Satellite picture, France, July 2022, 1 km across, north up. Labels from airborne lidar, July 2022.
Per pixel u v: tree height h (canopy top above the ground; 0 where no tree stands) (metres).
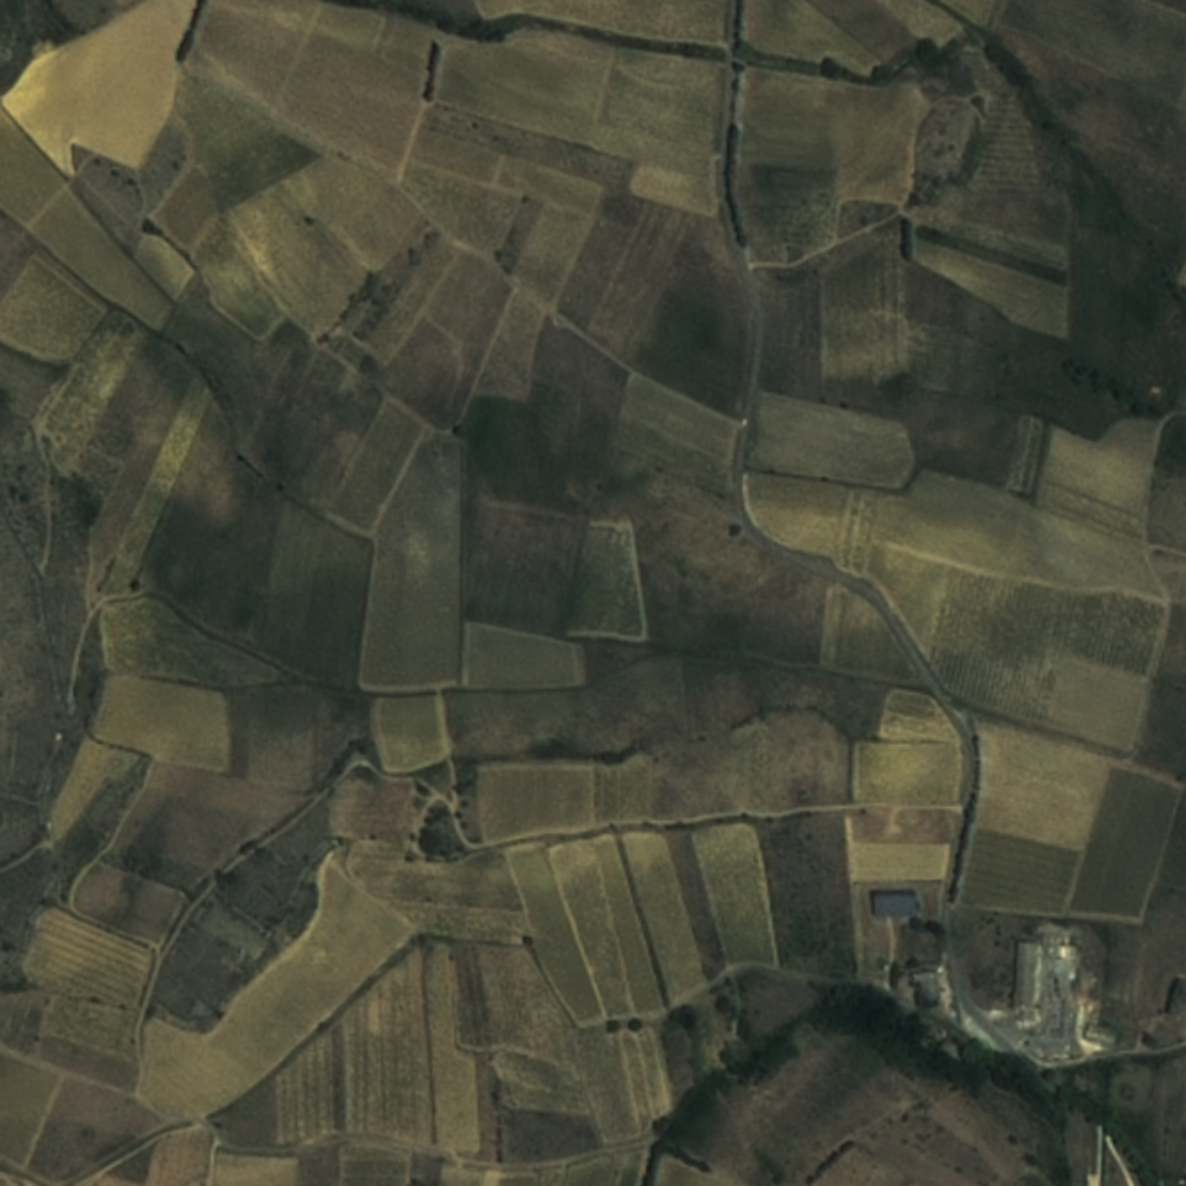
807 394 0
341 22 0
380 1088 0
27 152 0
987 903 0
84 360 0
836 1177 0
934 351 0
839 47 0
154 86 0
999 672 0
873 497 0
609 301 0
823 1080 0
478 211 0
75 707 0
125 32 0
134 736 0
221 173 0
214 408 0
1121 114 0
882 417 0
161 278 0
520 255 0
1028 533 0
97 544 0
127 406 0
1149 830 0
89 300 0
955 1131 0
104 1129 0
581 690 0
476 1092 0
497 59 0
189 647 0
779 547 0
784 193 0
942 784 0
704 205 0
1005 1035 0
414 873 0
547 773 0
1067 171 0
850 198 0
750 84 0
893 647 0
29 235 0
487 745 0
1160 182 0
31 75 0
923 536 0
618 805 0
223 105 0
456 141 0
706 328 0
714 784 0
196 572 0
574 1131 0
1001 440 0
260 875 0
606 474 0
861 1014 14
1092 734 0
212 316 0
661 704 0
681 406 0
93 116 0
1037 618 0
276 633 0
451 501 0
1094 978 0
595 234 0
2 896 0
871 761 0
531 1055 0
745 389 0
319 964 0
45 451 0
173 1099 0
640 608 0
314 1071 0
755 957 0
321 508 0
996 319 0
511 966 0
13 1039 0
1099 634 0
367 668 0
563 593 0
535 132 0
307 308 0
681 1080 0
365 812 0
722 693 0
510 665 0
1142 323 0
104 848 0
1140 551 0
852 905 0
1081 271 0
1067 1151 0
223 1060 0
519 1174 0
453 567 0
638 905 0
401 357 0
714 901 0
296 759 0
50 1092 0
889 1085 0
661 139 0
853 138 0
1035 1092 15
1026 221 0
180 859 0
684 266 0
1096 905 0
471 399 0
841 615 0
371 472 0
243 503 0
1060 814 0
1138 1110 0
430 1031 0
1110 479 0
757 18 0
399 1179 0
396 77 0
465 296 0
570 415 0
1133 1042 0
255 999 0
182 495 0
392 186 0
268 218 0
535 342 0
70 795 0
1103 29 0
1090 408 0
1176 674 0
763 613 0
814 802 0
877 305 0
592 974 0
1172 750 0
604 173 0
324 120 0
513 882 0
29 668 0
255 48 0
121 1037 0
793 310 0
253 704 0
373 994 0
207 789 0
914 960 9
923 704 0
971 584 0
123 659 0
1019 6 0
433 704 0
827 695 0
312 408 0
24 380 0
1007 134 0
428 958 0
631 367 0
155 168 0
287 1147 0
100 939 0
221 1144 0
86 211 0
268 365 0
